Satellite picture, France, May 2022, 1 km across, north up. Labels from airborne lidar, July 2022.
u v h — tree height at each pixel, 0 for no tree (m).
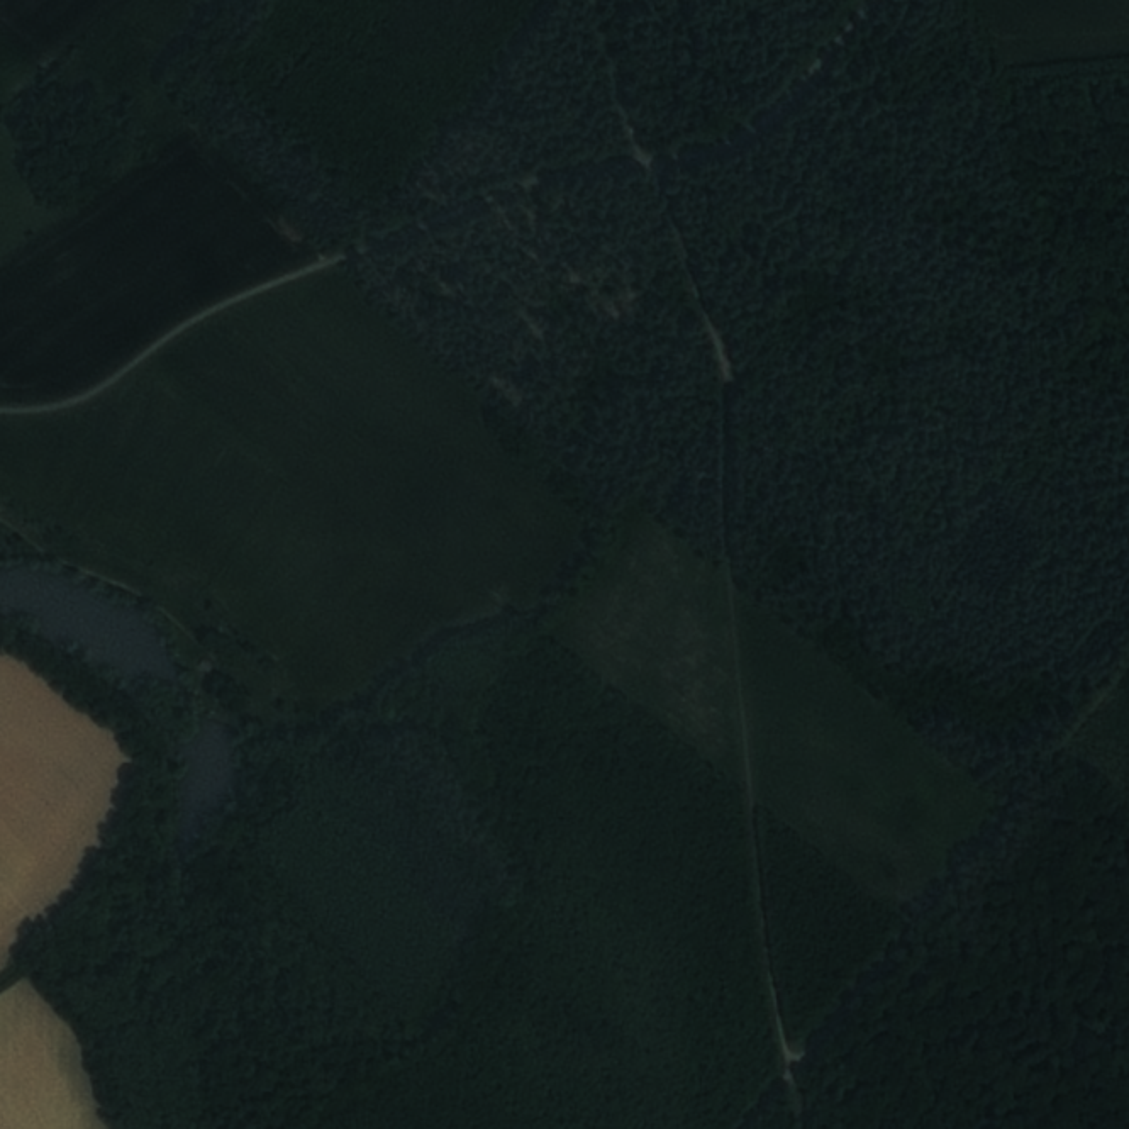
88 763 0
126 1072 29
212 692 16
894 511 27
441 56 10
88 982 21
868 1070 29
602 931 16
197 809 0
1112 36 0
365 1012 19
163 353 0
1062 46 0
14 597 0
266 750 23
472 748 24
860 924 16
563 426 32
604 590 0
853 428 15
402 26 10
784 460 29
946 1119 27
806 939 16
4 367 0
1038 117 29
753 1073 15
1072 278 25
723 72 10
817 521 30
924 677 10
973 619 34
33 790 0
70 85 0
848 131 28
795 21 37
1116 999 30
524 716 19
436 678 24
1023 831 26
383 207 10
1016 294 20
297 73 8
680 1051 16
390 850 24
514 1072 15
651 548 0
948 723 31
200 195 0
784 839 15
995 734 10
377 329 0
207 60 17
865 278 28
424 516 0
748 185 37
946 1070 26
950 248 30
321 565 0
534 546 0
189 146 0
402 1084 14
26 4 0
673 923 15
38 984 17
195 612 0
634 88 23
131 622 0
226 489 0
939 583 28
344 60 11
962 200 14
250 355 0
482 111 30
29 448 0
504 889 37
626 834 17
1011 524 25
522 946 18
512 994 15
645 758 17
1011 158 29
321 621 0
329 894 24
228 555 0
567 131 26
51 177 26
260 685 0
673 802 17
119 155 30
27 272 0
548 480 23
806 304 14
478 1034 16
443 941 25
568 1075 15
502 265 31
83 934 22
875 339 32
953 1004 30
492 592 0
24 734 0
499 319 40
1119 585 27
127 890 18
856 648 10
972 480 24
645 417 34
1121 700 6
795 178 33
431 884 25
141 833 23
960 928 26
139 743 25
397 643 0
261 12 27
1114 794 31
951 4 32
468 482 0
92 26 0
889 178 24
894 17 28
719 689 0
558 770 18
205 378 0
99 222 0
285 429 0
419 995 23
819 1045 25
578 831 16
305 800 23
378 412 0
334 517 0
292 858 24
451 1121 14
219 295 0
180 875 21
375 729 7
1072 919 28
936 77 20
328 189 25
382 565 0
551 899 17
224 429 0
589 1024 17
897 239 29
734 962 17
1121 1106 27
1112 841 29
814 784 0
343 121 11
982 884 24
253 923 29
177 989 25
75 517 0
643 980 14
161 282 0
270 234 0
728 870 14
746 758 0
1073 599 28
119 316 0
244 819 19
